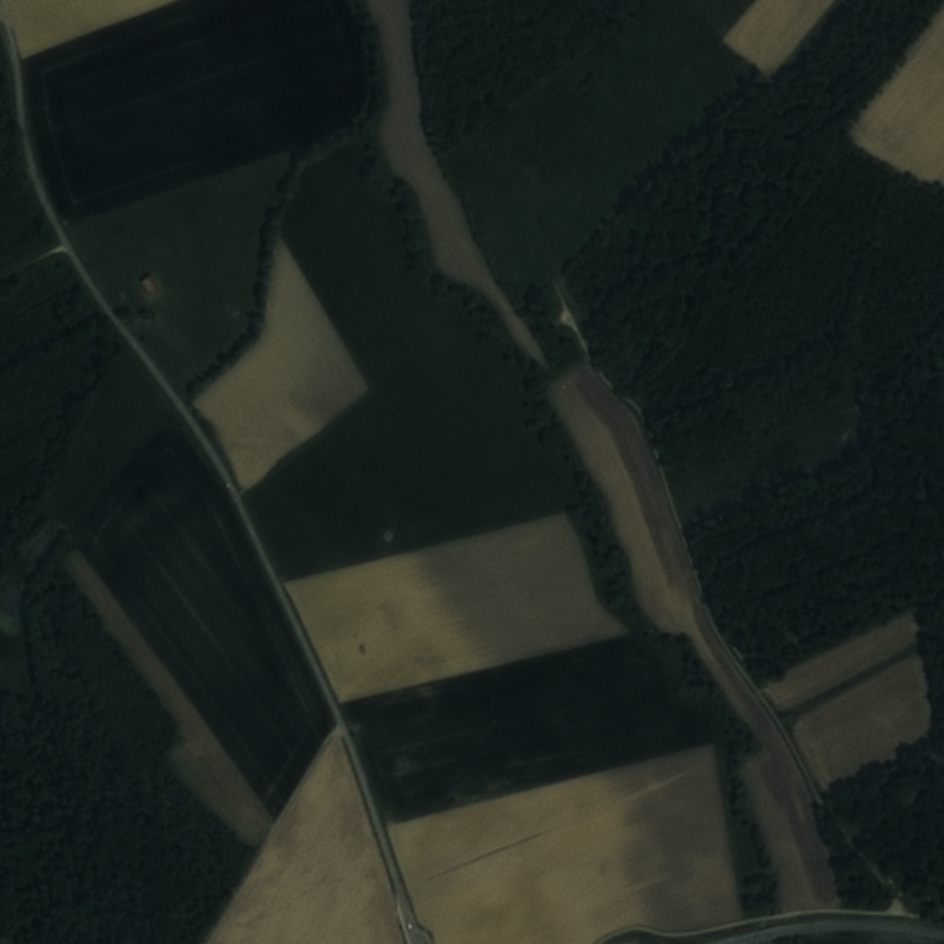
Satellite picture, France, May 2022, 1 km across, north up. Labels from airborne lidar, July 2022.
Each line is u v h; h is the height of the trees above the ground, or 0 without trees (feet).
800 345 44
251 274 0
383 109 38
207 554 0
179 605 0
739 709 0
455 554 0
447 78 89
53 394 21
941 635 68
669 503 0
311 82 0
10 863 58
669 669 0
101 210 0
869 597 84
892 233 31
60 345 40
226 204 0
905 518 100
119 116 0
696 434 60
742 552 72
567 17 94
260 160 0
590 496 56
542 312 66
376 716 0
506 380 0
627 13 86
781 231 30
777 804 0
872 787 88
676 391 21
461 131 60
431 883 0
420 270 51
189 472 0
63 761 57
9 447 28
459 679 0
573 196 0
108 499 0
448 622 0
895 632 0
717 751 0
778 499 75
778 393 84
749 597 65
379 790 0
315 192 0
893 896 56
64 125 0
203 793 0
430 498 0
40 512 34
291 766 0
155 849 105
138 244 0
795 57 0
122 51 0
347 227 0
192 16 0
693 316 40
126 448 0
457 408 0
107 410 0
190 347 0
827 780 0
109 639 45
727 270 84
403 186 58
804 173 82
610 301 73
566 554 0
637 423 0
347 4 0
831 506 43
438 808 0
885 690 0
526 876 0
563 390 0
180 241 0
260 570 0
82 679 60
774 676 58
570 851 0
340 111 0
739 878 0
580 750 0
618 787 0
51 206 0
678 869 0
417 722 0
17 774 94
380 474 0
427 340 0
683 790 0
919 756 59
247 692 0
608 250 24
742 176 99
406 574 0
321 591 0
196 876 80
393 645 0
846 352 83
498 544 0
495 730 0
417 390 0
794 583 90
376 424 0
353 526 0
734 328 28
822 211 28
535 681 0
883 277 28
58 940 54
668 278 77
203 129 0
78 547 0
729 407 64
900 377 36
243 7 0
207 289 0
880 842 61
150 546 0
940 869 83
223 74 0
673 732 0
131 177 0
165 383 0
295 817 0
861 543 91
